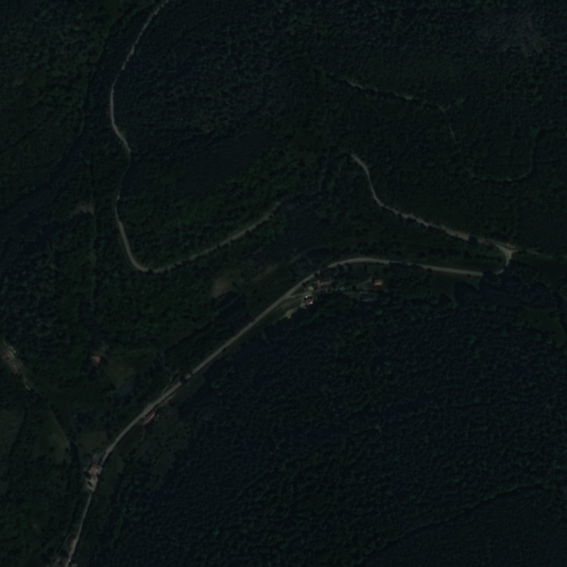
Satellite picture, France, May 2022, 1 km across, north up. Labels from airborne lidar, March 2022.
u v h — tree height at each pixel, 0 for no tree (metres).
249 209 18
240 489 20
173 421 0
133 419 0
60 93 29
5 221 31
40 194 32
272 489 12
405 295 15
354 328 22
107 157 12
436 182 19
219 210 12
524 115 22
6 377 7
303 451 27
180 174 19
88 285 29
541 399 29
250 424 10
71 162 31
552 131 25
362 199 21
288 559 26
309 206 24
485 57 15
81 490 13
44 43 26
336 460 24
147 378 16
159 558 27
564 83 28
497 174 15
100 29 18
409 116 22
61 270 25
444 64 15
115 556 20
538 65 16
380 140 24
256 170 16
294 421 9
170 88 22
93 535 8
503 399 32
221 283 0
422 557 17
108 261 24
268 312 0
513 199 15
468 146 17
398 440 28
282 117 23
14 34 16
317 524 21
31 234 28
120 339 17
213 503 26
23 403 10
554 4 15
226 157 19
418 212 15
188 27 13
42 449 0
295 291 0
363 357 7
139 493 17
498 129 18
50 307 15
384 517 25
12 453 10
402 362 30
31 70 20
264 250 29
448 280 0
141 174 27
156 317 19
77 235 18
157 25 10
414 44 15
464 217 16
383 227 16
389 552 19
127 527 20
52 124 12
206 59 23
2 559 34
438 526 20
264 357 28
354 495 30
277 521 17
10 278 31
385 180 18
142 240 12
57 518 9
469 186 15
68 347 14
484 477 29
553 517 22
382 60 13
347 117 21
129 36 18
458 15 11
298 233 33
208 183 22
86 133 29
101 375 9
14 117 9
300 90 16
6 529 34
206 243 19
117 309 8
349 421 22
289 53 13
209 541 23
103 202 6
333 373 24
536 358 29
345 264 0
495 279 28
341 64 14
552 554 18
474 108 18
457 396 27
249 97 23
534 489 18
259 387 29
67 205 13
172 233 19
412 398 9
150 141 22
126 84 17
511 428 24
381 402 9
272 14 14
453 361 32
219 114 22
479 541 20
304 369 28
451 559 17
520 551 19
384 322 23
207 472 26
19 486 13
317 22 24
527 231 14
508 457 31
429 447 29
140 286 10
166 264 9
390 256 8
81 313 31
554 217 10
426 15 15
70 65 27
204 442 20
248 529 21
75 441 15
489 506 18
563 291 10
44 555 0
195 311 9
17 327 27
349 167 27
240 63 30
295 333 27
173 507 26
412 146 20
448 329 29
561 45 16
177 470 17
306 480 23
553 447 32
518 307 30
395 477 30
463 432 24
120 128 11
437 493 27
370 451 27
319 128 22
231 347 0
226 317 27
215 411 22
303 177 20
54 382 6
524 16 22
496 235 15
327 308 10
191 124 16
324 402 7
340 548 25
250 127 23
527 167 18
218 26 13
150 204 15
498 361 28
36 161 13
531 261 0
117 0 0
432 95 17
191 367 6
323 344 28
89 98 14
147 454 0
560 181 24
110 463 6
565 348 7
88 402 0
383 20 38
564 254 9
